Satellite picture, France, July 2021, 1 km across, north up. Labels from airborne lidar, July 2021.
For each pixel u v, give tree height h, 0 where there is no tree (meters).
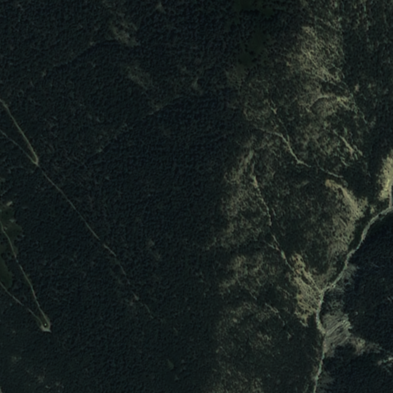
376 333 13
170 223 10
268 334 9
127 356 14
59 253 8
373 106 8
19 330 8
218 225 14
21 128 7
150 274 8
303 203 7
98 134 10
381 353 8
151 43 15
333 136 7
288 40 12
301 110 7
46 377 6
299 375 7
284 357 8
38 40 18
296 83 6
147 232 11
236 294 8
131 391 14
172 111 7
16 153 15
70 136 15
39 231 13
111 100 15
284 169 7
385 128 14
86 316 13
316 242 9
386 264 9
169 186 9
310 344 8
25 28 16
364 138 8
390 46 9
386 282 9
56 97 15
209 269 12
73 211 8
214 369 8
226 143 12
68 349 6
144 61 10
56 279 8
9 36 15
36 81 10
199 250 9
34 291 10
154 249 14
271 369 8
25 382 6
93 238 14
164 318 10
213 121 8
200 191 8
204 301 6
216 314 10
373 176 10
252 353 7
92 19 16
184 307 11
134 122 8
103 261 14
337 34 6
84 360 11
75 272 9
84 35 8
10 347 9
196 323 13
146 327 10
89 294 14
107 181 15
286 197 10
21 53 14
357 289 9
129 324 14
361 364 18
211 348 8
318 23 6
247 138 7
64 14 17
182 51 12
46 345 13
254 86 11
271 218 11
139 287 10
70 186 7
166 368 11
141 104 10
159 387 7
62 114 15
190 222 7
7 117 13
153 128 9
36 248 7
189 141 11
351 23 9
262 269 7
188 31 11
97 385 7
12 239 0
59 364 12
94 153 12
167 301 11
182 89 6
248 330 7
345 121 8
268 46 11
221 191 8
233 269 8
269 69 7
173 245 13
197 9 16
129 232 12
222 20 15
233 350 7
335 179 9
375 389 13
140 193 13
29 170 10
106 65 12
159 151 18
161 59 16
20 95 13
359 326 15
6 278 0
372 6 10
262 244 16
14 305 9
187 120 7
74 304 14
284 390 9
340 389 7
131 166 14
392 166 0
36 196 6
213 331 9
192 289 9
